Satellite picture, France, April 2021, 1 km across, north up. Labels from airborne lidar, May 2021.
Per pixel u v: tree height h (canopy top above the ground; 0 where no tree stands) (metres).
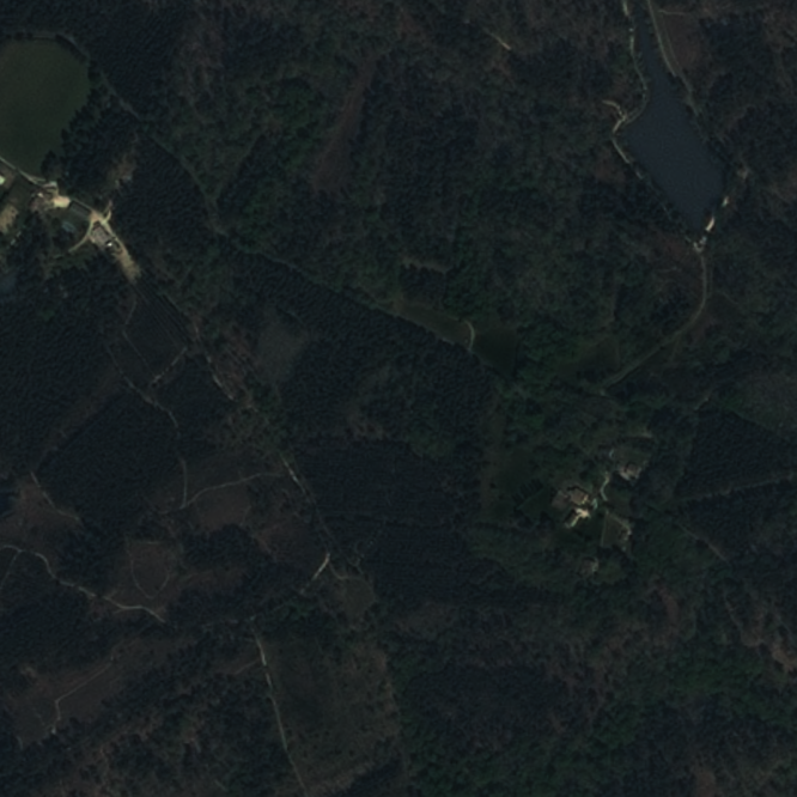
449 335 0
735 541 16
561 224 20
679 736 27
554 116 22
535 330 20
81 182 14
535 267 17
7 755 20
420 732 13
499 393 15
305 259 14
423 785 14
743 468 16
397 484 12
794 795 15
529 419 16
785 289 17
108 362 14
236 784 12
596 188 21
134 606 0
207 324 13
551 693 13
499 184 16
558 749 16
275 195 22
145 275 10
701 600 19
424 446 13
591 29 10
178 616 11
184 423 10
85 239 0
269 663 0
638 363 11
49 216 12
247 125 17
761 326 20
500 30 15
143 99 14
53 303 21
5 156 0
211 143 15
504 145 11
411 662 15
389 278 18
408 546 12
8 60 0
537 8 10
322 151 11
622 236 16
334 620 12
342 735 0
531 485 0
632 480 10
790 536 16
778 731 22
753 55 25
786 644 21
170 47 15
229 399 16
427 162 23
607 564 10
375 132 20
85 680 0
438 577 8
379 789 14
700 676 28
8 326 19
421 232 16
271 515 11
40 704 0
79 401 19
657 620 24
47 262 7
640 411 18
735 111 25
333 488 12
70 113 0
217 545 20
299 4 7
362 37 15
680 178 0
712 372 14
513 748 14
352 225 9
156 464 15
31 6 20
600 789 14
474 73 9
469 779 12
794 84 11
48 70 0
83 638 15
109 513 14
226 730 10
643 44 0
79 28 20
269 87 7
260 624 9
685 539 14
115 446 16
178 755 10
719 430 13
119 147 13
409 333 16
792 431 14
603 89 24
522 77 20
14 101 0
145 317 8
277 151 9
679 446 15
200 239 16
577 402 11
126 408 9
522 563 13
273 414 14
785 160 19
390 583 14
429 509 11
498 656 6
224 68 10
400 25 14
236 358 9
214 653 12
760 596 15
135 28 13
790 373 9
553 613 12
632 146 0
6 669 8
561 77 23
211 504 0
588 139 24
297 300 15
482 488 12
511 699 14
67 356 21
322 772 0
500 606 15
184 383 14
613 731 25
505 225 18
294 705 0
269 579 16
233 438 13
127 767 21
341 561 9
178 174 19
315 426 15
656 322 21
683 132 0
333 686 0
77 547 24
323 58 21
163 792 8
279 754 13
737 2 8
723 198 0
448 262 19
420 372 15
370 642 9
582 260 17
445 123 10
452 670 11
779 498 13
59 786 22
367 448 12
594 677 26
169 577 8
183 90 12
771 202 22
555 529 17
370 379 12
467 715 10
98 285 20
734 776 14
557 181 22
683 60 0
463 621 7
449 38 19
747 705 19
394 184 22
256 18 10
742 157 19
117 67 15
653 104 0
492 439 9
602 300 14
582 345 23
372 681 9
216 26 10
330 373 17
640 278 19
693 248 8
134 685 8
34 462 20
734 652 12
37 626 16
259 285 18
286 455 14
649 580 11
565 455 11
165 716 9
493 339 0
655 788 13
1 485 12
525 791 22
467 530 14
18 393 19
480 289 13
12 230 8
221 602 12
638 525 12
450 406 14
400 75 10
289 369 17
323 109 21
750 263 15
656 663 12
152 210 18
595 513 9
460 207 7
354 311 18
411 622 9
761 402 17
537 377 21
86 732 14
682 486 16
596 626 11
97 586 15
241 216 24
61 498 16
